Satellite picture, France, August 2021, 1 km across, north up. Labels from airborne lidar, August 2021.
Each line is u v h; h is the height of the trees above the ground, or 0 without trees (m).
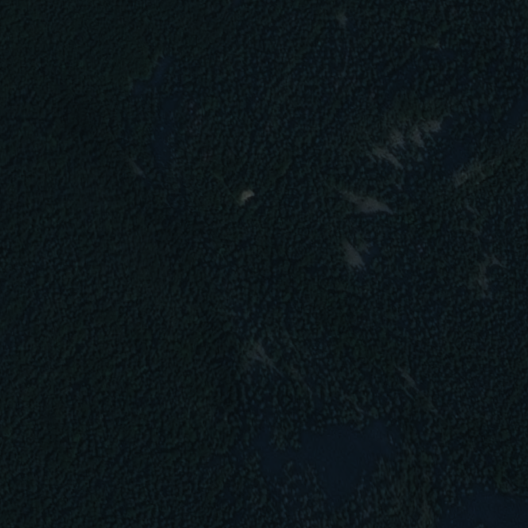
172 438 27
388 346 25
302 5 25
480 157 26
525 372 13
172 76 20
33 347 29
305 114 29
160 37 25
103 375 22
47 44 27
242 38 29
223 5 21
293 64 28
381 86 32
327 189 28
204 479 26
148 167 26
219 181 22
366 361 13
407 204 29
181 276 22
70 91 29
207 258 20
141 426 27
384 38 23
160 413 24
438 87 21
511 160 14
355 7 20
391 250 31
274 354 26
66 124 31
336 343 25
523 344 20
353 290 22
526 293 15
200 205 18
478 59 31
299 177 18
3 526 27
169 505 22
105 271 22
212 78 26
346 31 21
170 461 31
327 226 25
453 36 29
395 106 22
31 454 28
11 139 18
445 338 26
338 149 20
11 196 27
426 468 6
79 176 20
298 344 14
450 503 30
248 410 20
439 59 17
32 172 27
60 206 25
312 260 18
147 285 20
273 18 27
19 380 28
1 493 32
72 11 26
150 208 25
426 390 27
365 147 24
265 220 17
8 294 18
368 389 10
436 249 29
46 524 14
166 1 29
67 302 32
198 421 24
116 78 22
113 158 25
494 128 30
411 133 12
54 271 30
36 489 29
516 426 20
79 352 18
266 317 28
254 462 24
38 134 17
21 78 20
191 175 16
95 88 24
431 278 22
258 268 21
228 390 31
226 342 31
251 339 21
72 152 22
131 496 28
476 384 20
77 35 22
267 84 29
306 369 7
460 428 29
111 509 25
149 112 24
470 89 27
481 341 21
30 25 27
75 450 21
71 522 20
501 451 19
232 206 17
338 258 20
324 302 26
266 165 16
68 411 30
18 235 21
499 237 20
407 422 19
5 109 25
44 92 25
